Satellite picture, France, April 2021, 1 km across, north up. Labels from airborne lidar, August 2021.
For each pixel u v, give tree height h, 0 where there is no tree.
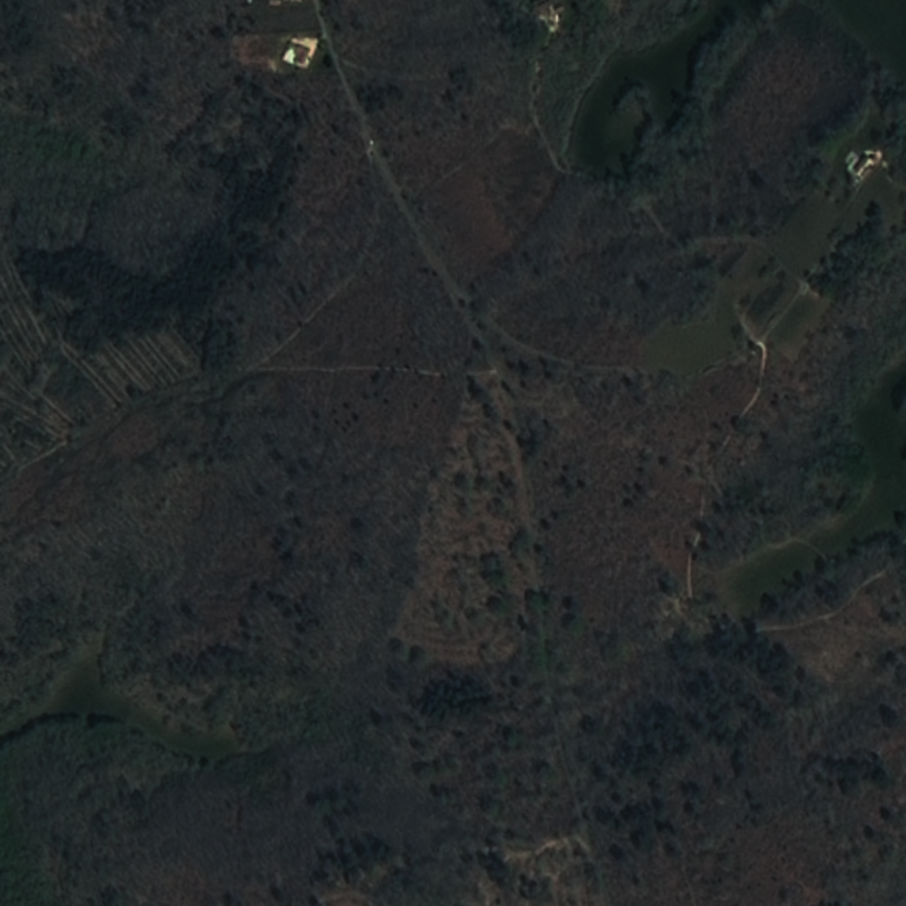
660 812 20
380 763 16
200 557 10
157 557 18
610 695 13
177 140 9
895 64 0
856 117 19
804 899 6
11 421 9
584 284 8
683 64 0
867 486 23
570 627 17
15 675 15
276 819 12
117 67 10
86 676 0
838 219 0
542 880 17
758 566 0
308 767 17
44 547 13
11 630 17
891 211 0
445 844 14
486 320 16
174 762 19
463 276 7
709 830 12
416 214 8
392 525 16
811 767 11
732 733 22
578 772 11
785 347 0
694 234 7
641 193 15
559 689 13
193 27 9
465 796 0
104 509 9
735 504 22
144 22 8
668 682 10
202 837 12
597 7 12
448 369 9
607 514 9
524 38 24
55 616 15
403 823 0
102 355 8
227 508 8
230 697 19
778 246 0
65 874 8
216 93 9
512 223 9
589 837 11
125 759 16
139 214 14
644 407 19
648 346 0
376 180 8
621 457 8
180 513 8
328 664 18
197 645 7
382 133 8
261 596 20
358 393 7
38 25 17
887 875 17
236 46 0
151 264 16
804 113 6
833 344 19
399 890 18
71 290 15
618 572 9
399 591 20
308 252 11
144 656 14
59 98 10
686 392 12
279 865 12
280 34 0
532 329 8
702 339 0
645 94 20
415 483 15
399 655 21
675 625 17
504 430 0
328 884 0
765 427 12
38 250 7
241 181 16
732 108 6
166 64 9
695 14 16
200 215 15
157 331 14
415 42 12
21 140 22
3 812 22
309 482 14
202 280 16
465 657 0
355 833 0
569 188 14
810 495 17
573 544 7
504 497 0
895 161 20
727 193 7
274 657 11
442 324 13
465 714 0
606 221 10
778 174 8
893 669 22
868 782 15
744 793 9
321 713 21
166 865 10
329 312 7
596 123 0
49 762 13
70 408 9
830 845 6
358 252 11
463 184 0
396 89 7
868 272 16
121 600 17
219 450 12
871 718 6
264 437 19
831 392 16
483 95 9
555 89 17
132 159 16
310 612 13
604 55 23
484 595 0
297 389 6
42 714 0
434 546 0
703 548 7
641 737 15
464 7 16
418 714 0
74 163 22
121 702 0
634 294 9
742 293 0
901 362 0
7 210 8
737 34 26
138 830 10
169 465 7
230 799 8
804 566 0
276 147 17
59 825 17
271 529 11
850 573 15
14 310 9
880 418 0
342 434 6
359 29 17
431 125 5
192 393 12
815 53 6
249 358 7
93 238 14
